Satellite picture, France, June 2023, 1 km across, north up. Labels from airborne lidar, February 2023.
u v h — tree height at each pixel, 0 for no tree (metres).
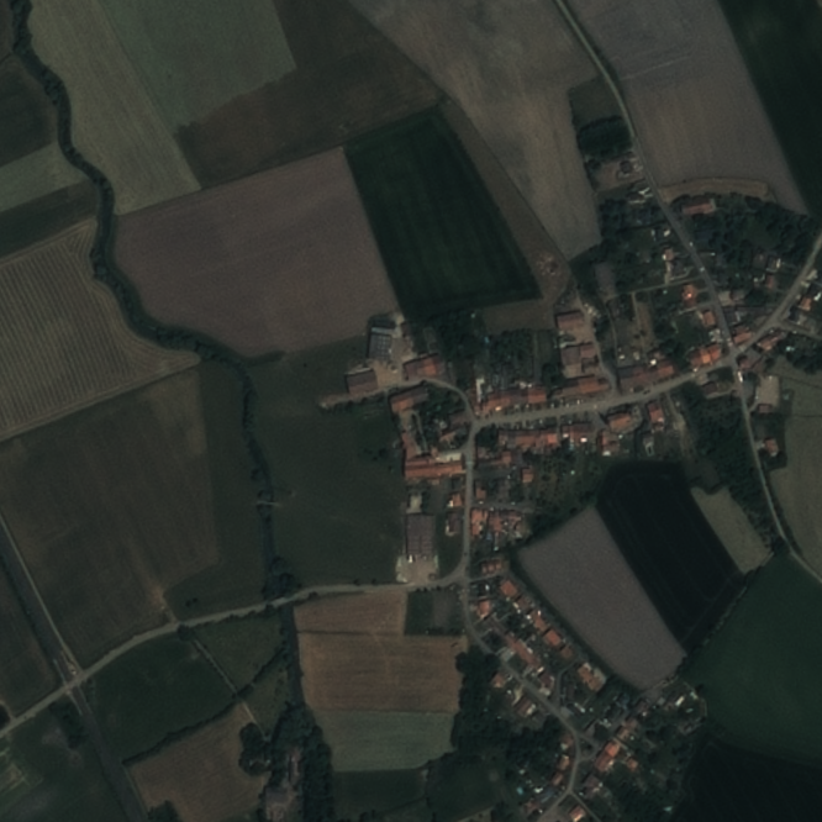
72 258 0
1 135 0
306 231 0
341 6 0
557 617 0
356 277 0
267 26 0
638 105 0
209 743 0
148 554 0
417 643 0
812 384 0
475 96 0
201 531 0
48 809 0
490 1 0
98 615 0
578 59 0
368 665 0
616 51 0
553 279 0
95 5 0
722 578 0
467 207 0
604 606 0
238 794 0
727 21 0
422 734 0
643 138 0
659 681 0
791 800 0
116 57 0
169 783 0
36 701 0
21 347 0
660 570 0
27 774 0
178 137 0
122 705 0
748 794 0
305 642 0
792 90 0
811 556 0
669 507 0
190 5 0
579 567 0
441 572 0
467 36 0
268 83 0
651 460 0
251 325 0
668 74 0
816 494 0
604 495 0
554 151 0
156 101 0
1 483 0
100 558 0
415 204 0
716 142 0
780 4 0
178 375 0
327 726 0
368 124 0
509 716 0
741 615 0
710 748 0
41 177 0
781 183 0
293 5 0
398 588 0
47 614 0
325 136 0
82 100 0
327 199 0
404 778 0
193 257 0
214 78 0
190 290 0
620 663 0
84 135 0
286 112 0
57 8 0
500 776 0
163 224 0
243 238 0
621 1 0
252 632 0
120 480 0
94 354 0
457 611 0
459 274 0
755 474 11
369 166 0
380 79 0
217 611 0
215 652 0
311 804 17
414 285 0
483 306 0
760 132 0
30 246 0
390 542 0
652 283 0
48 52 0
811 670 0
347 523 0
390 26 0
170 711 0
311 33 0
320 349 0
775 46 0
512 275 0
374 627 0
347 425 0
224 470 0
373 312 0
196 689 0
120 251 0
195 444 0
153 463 0
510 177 0
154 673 0
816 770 0
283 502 0
